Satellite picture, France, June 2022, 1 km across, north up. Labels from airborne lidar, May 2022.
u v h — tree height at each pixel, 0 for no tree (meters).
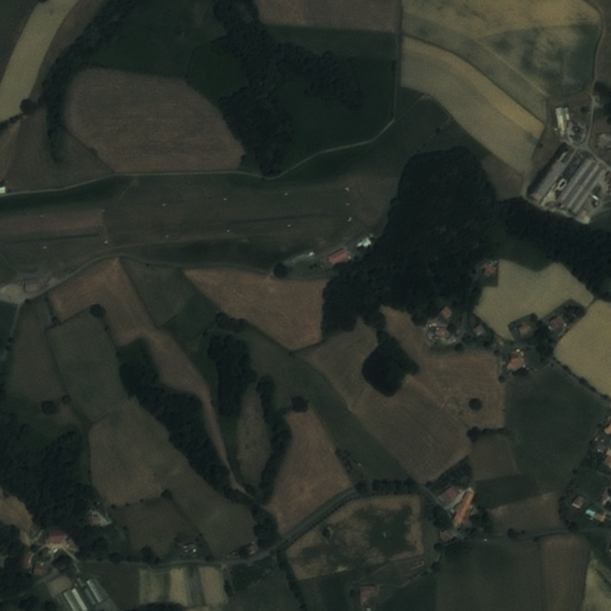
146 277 0
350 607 0
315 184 0
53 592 0
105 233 0
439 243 20
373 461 0
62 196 0
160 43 0
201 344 0
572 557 0
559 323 0
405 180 14
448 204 19
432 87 0
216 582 0
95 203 0
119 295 0
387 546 0
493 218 30
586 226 7
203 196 0
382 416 0
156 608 16
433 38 0
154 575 0
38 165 0
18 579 27
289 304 0
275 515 0
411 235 18
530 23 0
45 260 0
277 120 17
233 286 0
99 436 0
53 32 0
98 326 0
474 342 8
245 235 0
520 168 0
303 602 11
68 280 0
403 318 0
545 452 0
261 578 6
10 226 0
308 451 0
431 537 0
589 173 0
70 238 0
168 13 0
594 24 0
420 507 0
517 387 0
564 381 0
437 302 6
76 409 0
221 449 0
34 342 0
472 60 0
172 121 0
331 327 14
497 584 0
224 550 0
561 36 0
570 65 0
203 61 0
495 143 0
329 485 0
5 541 22
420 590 0
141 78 0
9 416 11
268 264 0
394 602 0
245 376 12
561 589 0
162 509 0
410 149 0
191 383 0
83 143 0
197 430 18
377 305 17
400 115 0
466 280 26
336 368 0
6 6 0
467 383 0
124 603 0
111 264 0
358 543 0
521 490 0
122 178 0
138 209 0
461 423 0
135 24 0
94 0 0
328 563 0
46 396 0
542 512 0
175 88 0
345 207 0
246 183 0
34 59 0
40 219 0
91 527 6
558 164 0
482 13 0
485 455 0
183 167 0
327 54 8
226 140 0
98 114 0
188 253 0
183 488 0
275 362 0
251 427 0
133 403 0
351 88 9
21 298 0
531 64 0
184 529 0
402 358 24
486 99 0
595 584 0
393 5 0
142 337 0
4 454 28
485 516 11
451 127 0
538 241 28
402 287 31
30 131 0
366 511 0
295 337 0
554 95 0
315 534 0
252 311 0
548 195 0
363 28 0
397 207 15
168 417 22
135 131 0
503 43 0
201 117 0
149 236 0
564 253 28
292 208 0
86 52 11
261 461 0
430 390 0
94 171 0
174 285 0
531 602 0
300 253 0
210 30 0
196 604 0
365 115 0
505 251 0
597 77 0
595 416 0
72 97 0
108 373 0
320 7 0
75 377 0
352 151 0
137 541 0
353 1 0
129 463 0
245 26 24
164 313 0
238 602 0
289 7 0
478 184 25
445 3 0
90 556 6
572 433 0
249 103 19
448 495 0
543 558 0
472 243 18
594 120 0
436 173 17
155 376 6
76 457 9
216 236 0
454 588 0
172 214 0
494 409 0
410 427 0
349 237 0
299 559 0
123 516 0
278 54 13
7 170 0
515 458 0
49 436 0
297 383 0
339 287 18
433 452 0
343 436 0
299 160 0
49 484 19
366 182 0
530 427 0
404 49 0
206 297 0
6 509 0
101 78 0
